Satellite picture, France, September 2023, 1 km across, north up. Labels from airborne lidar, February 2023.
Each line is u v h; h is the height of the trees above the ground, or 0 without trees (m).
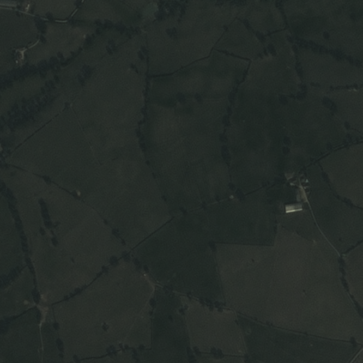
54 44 0
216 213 0
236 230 0
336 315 0
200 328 0
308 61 0
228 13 0
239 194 15
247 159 0
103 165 0
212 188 0
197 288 0
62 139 0
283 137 0
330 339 0
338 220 0
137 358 16
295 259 0
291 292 0
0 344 0
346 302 0
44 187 0
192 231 0
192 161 0
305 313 0
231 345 0
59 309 0
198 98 16
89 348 0
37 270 0
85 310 0
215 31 0
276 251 0
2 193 19
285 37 0
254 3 0
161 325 0
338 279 0
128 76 0
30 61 0
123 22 0
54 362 0
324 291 0
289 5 0
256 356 0
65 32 0
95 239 0
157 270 0
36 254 0
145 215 0
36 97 0
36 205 0
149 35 0
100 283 0
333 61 0
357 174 0
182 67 11
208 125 0
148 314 0
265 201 0
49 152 0
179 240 0
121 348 12
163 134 0
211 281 0
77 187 0
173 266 0
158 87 0
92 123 0
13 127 17
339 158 0
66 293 0
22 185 0
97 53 0
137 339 0
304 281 0
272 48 18
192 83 0
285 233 0
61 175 0
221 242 0
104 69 0
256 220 0
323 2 0
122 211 0
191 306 0
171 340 0
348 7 0
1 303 0
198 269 0
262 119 0
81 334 0
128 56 0
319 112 0
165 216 0
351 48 0
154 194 0
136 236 0
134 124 0
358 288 0
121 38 0
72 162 0
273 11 0
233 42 0
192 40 0
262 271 0
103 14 0
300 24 0
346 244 0
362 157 0
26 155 0
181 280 0
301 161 0
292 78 0
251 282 0
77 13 0
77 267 0
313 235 0
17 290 0
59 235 0
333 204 0
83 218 0
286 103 14
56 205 0
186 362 0
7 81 25
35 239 0
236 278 0
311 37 0
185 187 0
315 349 0
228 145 0
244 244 0
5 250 0
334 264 0
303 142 0
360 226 0
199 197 0
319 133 0
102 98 0
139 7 0
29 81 0
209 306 16
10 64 0
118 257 0
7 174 0
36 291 10
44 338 0
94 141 0
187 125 0
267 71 0
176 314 0
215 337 0
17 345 0
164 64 0
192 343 0
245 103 0
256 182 0
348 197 0
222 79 0
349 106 0
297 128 0
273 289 0
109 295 0
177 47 0
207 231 0
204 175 0
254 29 0
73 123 0
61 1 0
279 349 0
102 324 0
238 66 0
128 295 0
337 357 0
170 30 0
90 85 0
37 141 0
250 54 0
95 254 0
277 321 0
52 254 0
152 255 0
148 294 0
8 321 20
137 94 0
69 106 13
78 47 0
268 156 0
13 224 0
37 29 16
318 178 0
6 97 0
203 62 0
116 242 0
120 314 0
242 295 0
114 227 0
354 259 0
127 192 0
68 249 0
